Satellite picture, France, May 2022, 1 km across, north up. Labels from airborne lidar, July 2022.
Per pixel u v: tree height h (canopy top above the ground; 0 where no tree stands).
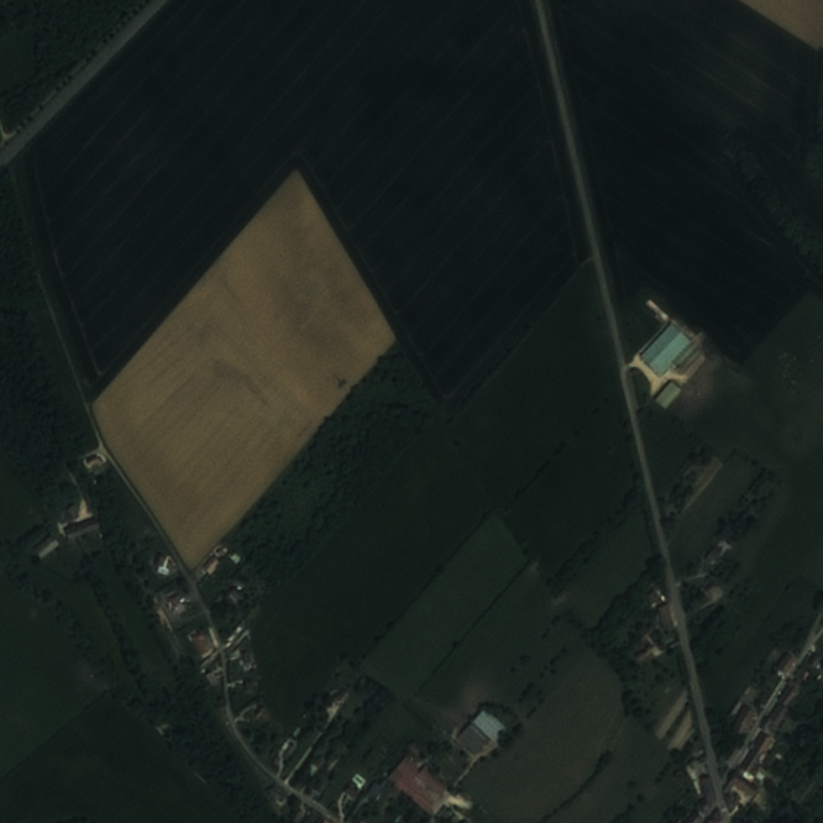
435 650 0
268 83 0
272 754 7
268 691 0
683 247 0
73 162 0
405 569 0
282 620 0
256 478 0
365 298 0
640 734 0
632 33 0
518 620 0
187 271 0
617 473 0
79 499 13
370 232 0
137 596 14
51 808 0
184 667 18
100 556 9
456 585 0
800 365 0
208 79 0
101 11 19
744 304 0
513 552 0
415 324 0
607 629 13
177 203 0
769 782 9
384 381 11
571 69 0
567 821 0
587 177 0
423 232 0
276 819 10
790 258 0
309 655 0
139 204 0
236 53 0
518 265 0
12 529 0
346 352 0
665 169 0
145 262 0
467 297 0
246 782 8
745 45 0
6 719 0
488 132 0
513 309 0
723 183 0
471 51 0
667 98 0
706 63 0
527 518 0
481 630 0
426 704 0
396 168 0
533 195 0
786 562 0
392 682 0
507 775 0
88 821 10
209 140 0
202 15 0
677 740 0
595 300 0
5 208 20
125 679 0
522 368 0
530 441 0
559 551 0
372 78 0
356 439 8
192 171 0
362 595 0
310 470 10
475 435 0
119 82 0
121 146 0
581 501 0
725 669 0
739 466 0
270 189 0
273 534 6
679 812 8
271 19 0
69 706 0
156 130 0
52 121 0
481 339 0
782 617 0
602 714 0
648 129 0
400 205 0
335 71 0
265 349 0
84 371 0
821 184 9
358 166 0
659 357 0
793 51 0
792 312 0
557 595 5
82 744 0
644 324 0
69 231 0
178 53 0
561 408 0
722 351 0
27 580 18
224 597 11
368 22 0
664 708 0
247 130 0
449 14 0
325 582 0
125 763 0
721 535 10
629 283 0
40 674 0
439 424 0
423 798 0
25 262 22
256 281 0
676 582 0
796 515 0
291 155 0
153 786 0
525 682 0
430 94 0
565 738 0
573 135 0
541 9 0
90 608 0
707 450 9
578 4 0
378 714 16
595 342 0
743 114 0
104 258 0
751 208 0
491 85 0
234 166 0
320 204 0
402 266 0
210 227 0
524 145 0
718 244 0
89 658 18
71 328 0
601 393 0
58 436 23
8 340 14
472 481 0
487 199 0
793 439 0
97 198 0
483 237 0
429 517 0
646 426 0
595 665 0
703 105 0
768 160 0
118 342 0
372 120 0
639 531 0
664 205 0
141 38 0
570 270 0
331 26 0
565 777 0
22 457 15
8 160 0
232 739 0
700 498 0
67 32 18
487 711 12
